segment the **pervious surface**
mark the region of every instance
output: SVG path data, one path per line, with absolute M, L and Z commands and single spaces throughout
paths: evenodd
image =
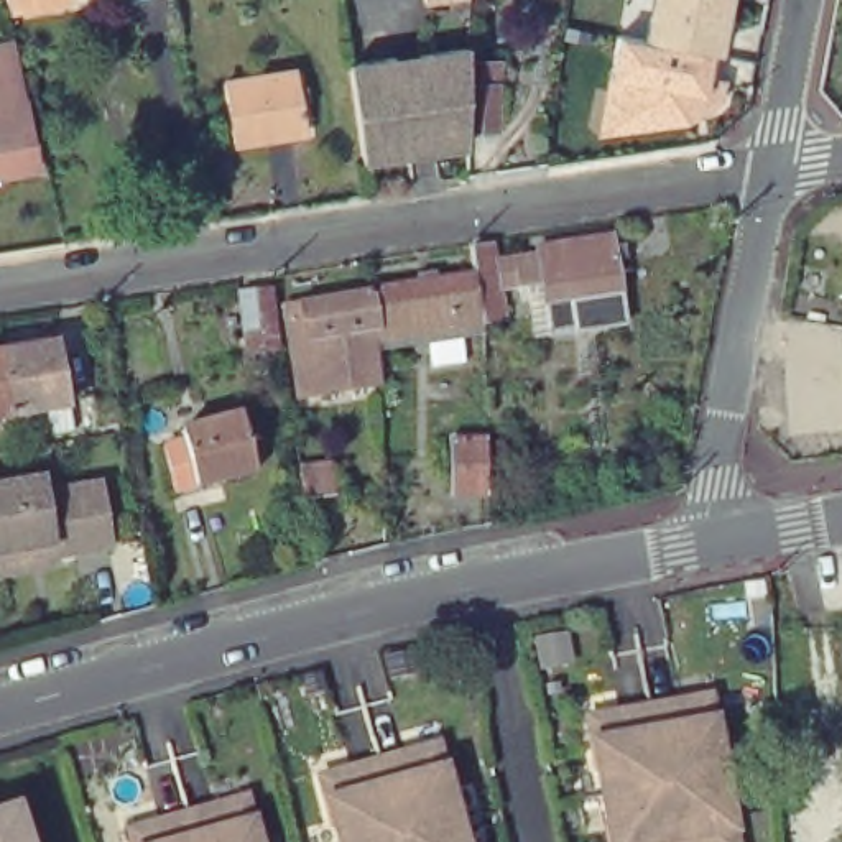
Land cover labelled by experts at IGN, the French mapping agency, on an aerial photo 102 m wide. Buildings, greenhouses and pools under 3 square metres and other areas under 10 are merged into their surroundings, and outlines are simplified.
M 763 359 L 780 359 L 786 365 L 786 437 L 796 441 L 799 434 L 842 431 L 842 326 L 826 322 L 809 326 L 806 319 L 796 322 L 783 316 L 763 329 L 753 326 L 753 345 L 763 352 Z
M 280 211 L 217 220 L 207 220 L 204 227 L 230 230 L 253 224 L 289 224 L 388 204 L 385 194 L 352 197 L 303 207 Z
M 23 266 L 36 260 L 59 260 L 76 250 L 112 247 L 109 237 L 69 240 L 0 253 L 0 266 Z
M 832 559 L 819 559 L 816 566 L 822 605 L 835 612 L 842 612 L 842 579 L 829 582 Z
M 819 697 L 835 694 L 832 635 L 812 632 L 809 674 Z
M 602 171 L 651 168 L 668 161 L 701 164 L 704 158 L 714 158 L 714 141 L 579 161 L 553 164 L 549 178 L 566 181 Z
M 842 776 L 826 776 L 812 789 L 806 809 L 793 816 L 793 842 L 842 842 Z

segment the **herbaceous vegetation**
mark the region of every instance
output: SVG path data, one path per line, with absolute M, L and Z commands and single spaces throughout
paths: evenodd
M 115 776 L 128 753 L 141 756 L 138 732 L 67 750 L 69 760 L 79 780 Z
M 520 138 L 516 145 L 510 145 L 500 155 L 497 171 L 539 168 L 530 151 L 530 141 Z
M 243 408 L 263 460 L 257 474 L 224 480 L 224 500 L 204 507 L 204 539 L 211 539 L 214 546 L 220 576 L 240 569 L 240 546 L 260 530 L 260 516 L 266 513 L 273 487 L 283 483 L 286 470 L 280 467 L 280 460 L 270 457 L 280 428 L 276 405 L 240 391 L 204 405 L 204 408 L 207 418 L 230 408 Z
M 799 434 L 796 441 L 786 437 L 786 365 L 780 359 L 763 359 L 763 352 L 753 345 L 747 382 L 753 408 L 743 421 L 743 441 L 760 437 L 770 447 L 773 460 L 780 460 L 786 470 L 835 467 L 842 460 L 842 431 Z
M 217 79 L 227 82 L 270 72 L 299 72 L 316 138 L 335 128 L 345 128 L 355 138 L 349 69 L 355 66 L 349 0 L 191 0 L 194 49 L 204 86 L 214 86 Z
M 86 197 L 92 191 L 99 164 L 112 168 L 135 148 L 138 138 L 161 135 L 187 141 L 197 151 L 197 184 L 191 187 L 191 194 L 214 197 L 217 220 L 280 211 L 273 194 L 270 148 L 237 151 L 234 138 L 220 145 L 211 132 L 207 112 L 191 118 L 184 112 L 178 105 L 155 95 L 155 69 L 148 56 L 128 56 L 115 62 L 109 86 L 89 95 L 99 118 L 89 122 L 79 138 L 53 151 L 82 151 L 89 158 L 82 171 L 59 171 L 69 217 L 56 220 L 36 207 L 36 201 L 49 187 L 46 174 L 10 181 L 7 187 L 0 187 L 0 253 L 69 240 L 66 230 L 72 224 L 89 224 Z
M 372 171 L 355 151 L 349 155 L 349 161 L 342 161 L 316 138 L 286 145 L 299 161 L 303 207 L 352 197 L 349 184 L 368 178 Z
M 500 253 L 533 250 L 526 234 L 503 234 L 483 227 L 480 243 L 493 243 Z
M 0 803 L 26 799 L 39 842 L 79 842 L 56 770 L 0 780 Z
M 441 53 L 472 53 L 472 33 L 467 30 L 447 30 L 441 33 Z
M 207 750 L 207 766 L 201 770 L 207 783 L 240 780 L 250 783 L 250 793 L 257 812 L 263 816 L 270 842 L 286 842 L 273 796 L 266 793 L 271 776 L 252 702 L 194 717 L 201 743 Z
M 400 403 L 386 416 L 391 418 L 395 451 L 414 454 L 414 378 L 400 382 Z
M 30 605 L 33 599 L 46 599 L 49 608 L 69 605 L 69 589 L 82 576 L 72 566 L 59 566 L 49 572 L 33 569 L 16 579 L 16 602 Z
M 335 428 L 352 441 L 349 447 L 359 467 L 372 474 L 385 467 L 385 460 L 382 411 L 368 398 L 349 408 L 319 408 L 319 424 L 335 421 Z
M 569 628 L 576 632 L 576 658 L 562 671 L 539 671 L 543 717 L 549 727 L 553 750 L 562 747 L 562 720 L 556 697 L 566 694 L 576 704 L 585 704 L 589 697 L 599 691 L 615 691 L 612 628 L 605 612 L 599 608 L 569 612 Z
M 753 806 L 740 809 L 743 842 L 768 842 L 766 812 Z
M 689 229 L 687 214 L 661 217 L 668 224 L 664 253 L 638 253 L 622 260 L 632 306 L 628 329 L 635 332 L 635 342 L 618 339 L 615 345 L 608 345 L 608 355 L 632 362 L 628 372 L 622 372 L 618 395 L 589 398 L 579 388 L 582 378 L 576 375 L 576 342 L 553 339 L 549 362 L 539 362 L 536 368 L 510 368 L 510 355 L 520 345 L 539 349 L 543 339 L 543 335 L 533 335 L 530 316 L 503 316 L 464 339 L 464 365 L 437 368 L 431 375 L 431 385 L 460 385 L 464 398 L 431 401 L 428 437 L 434 431 L 454 434 L 483 434 L 513 408 L 523 408 L 556 441 L 576 434 L 582 437 L 582 451 L 618 451 L 632 411 L 645 411 L 645 401 L 651 395 L 674 401 L 678 408 L 691 405 L 687 388 L 701 385 L 714 299 L 720 286 L 710 273 L 697 270 L 710 257 L 710 227 Z
M 826 95 L 842 112 L 842 7 L 826 76 Z
M 125 316 L 128 359 L 135 378 L 151 378 L 161 372 L 168 365 L 168 342 L 155 306 L 148 303 L 145 309 Z
M 750 632 L 740 618 L 710 618 L 714 605 L 737 602 L 743 592 L 743 585 L 720 585 L 674 602 L 674 641 L 668 661 L 674 674 L 687 681 L 714 678 L 727 681 L 733 691 L 743 694 L 747 727 L 760 717 L 770 717 L 776 730 L 783 730 L 796 747 L 826 747 L 832 753 L 826 763 L 826 776 L 842 776 L 842 612 L 835 612 L 832 635 L 835 694 L 819 697 L 809 674 L 812 632 L 803 625 L 796 595 L 793 589 L 786 589 L 786 576 L 766 582 L 766 595 L 773 608 L 773 625 Z
M 326 523 L 326 556 L 362 549 L 372 539 L 385 539 L 388 523 L 362 510 L 359 503 L 342 513 L 335 500 L 316 493 L 309 497 Z
M 92 431 L 122 428 L 122 414 L 115 405 L 95 401 Z
M 174 303 L 168 309 L 178 326 L 184 365 L 197 355 L 220 355 L 227 349 L 220 322 L 217 316 L 207 316 L 201 329 L 184 329 L 181 322 L 191 319 L 191 303 Z
M 569 30 L 592 36 L 592 43 L 572 43 L 576 49 L 569 69 L 562 141 L 572 145 L 572 155 L 579 161 L 714 141 L 737 132 L 750 112 L 760 109 L 747 95 L 740 102 L 730 99 L 730 109 L 710 122 L 707 132 L 678 128 L 635 138 L 599 138 L 592 128 L 592 105 L 595 95 L 608 86 L 618 39 L 625 0 L 576 0 L 577 15 Z
M 572 227 L 549 227 L 549 240 L 618 230 L 625 217 L 612 217 Z
M 3 464 L 0 457 L 0 480 L 66 470 L 59 457 Z
M 385 283 L 418 280 L 414 266 L 424 263 L 434 263 L 434 273 L 467 273 L 467 247 L 447 243 L 428 250 L 398 250 L 388 257 L 382 250 L 372 250 L 359 263 L 306 263 L 283 270 L 280 276 L 270 276 L 273 289 L 273 296 L 283 303 L 299 303 L 345 289 L 375 289 Z
M 270 720 L 270 733 L 276 747 L 276 763 L 285 765 L 303 842 L 312 842 L 309 822 L 319 819 L 319 809 L 312 799 L 306 763 L 322 750 L 342 747 L 335 701 L 329 701 L 322 689 L 309 691 L 303 681 L 280 681 L 273 701 L 276 720 Z
M 151 441 L 158 510 L 148 513 L 148 520 L 161 543 L 161 572 L 171 579 L 174 572 L 181 572 L 184 579 L 197 579 L 187 556 L 184 520 L 174 516 L 174 510 L 178 493 L 164 460 L 164 447 Z
M 391 707 L 398 727 L 437 724 L 469 740 L 464 697 L 437 691 L 434 681 L 424 681 L 411 671 L 398 678 L 395 694 Z
M 39 20 L 53 39 L 46 46 L 46 62 L 53 62 L 59 53 L 76 49 L 76 33 L 82 30 L 62 16 Z
M 822 312 L 826 322 L 842 326 L 842 247 L 835 237 L 812 234 L 812 260 L 806 270 L 803 299 L 783 309 L 783 316 L 796 322 L 806 319 L 809 312 Z

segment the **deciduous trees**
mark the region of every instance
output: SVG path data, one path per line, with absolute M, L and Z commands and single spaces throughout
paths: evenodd
M 191 92 L 191 109 L 184 112 L 191 118 L 207 112 L 211 132 L 220 145 L 234 138 L 224 99 L 227 82 L 217 79 L 214 86 L 204 86 L 201 92 Z
M 628 329 L 602 332 L 592 342 L 599 365 L 589 378 L 582 378 L 579 388 L 589 398 L 618 395 L 622 372 L 628 372 L 632 362 L 608 355 L 608 345 L 615 345 L 618 339 L 635 342 L 635 332 Z
M 69 605 L 102 605 L 99 585 L 89 576 L 82 576 L 69 589 Z
M 536 135 L 530 141 L 530 151 L 539 168 L 553 164 L 579 161 L 572 155 L 572 145 L 562 141 L 569 69 L 576 49 L 572 43 L 566 43 L 559 46 L 559 53 L 546 53 L 549 99 L 543 105 L 543 115 L 533 122 Z
M 710 257 L 697 270 L 710 273 L 720 286 L 724 286 L 733 257 L 733 247 L 727 247 L 717 257 Z
M 539 362 L 549 362 L 553 339 L 543 339 L 539 349 L 520 345 L 510 355 L 510 368 L 536 368 Z
M 13 753 L 0 753 L 0 780 L 56 770 L 69 760 L 67 750 L 56 737 Z
M 227 309 L 240 299 L 243 289 L 240 280 L 201 283 L 174 293 L 174 303 L 191 303 L 191 319 L 181 322 L 184 329 L 201 329 L 207 316 L 217 316 L 220 322 Z
M 434 681 L 437 691 L 464 697 L 477 701 L 490 714 L 497 661 L 474 632 L 460 625 L 428 625 L 411 638 L 411 655 L 411 671 L 424 681 Z
M 585 803 L 576 793 L 576 780 L 585 770 L 585 704 L 576 704 L 566 694 L 556 697 L 562 720 L 562 747 L 553 750 L 553 766 L 543 780 L 543 793 L 556 789 L 559 799 L 572 799 L 576 806 L 582 806 Z
M 618 451 L 582 451 L 582 437 L 576 434 L 556 441 L 523 408 L 513 408 L 483 434 L 490 441 L 490 497 L 490 520 L 497 526 L 523 530 L 625 507 L 645 507 L 674 497 L 684 483 L 694 480 L 694 451 L 687 451 L 687 444 L 694 437 L 694 421 L 691 405 L 678 408 L 674 401 L 651 395 L 645 401 L 645 411 L 632 411 Z
M 428 437 L 431 464 L 437 467 L 437 474 L 451 474 L 454 434 L 434 431 Z
M 740 809 L 753 806 L 766 812 L 768 842 L 793 842 L 793 816 L 806 809 L 812 789 L 826 776 L 826 763 L 832 753 L 826 747 L 796 747 L 783 730 L 776 730 L 770 717 L 760 717 L 747 727 L 743 743 L 730 743 Z
M 368 178 L 349 184 L 352 197 L 385 194 L 388 204 L 408 201 L 408 168 L 372 171 Z
M 82 30 L 76 33 L 76 49 L 59 53 L 53 62 L 46 62 L 46 46 L 53 39 L 39 20 L 16 20 L 7 0 L 0 0 L 0 46 L 16 46 L 46 174 L 49 187 L 36 201 L 36 207 L 56 220 L 69 217 L 59 171 L 82 171 L 89 158 L 82 151 L 53 151 L 79 138 L 89 122 L 99 118 L 89 95 L 109 86 L 115 62 L 128 56 L 135 30 L 128 26 L 132 10 L 125 7 L 125 0 L 89 0 L 82 10 L 62 16 Z
M 30 605 L 16 602 L 16 579 L 0 576 L 0 628 L 23 622 Z
M 335 128 L 316 138 L 342 161 L 349 161 L 349 155 L 355 151 L 355 138 L 345 128 Z
M 520 69 L 516 53 L 533 49 L 546 36 L 549 23 L 530 20 L 516 7 L 497 16 L 500 49 L 493 62 L 508 66 Z
M 164 411 L 181 398 L 181 391 L 194 395 L 204 405 L 240 391 L 276 405 L 280 428 L 270 457 L 280 460 L 280 467 L 286 470 L 283 483 L 273 487 L 266 513 L 260 516 L 260 530 L 240 546 L 240 569 L 220 576 L 220 585 L 227 592 L 240 592 L 263 579 L 309 572 L 326 556 L 326 523 L 309 497 L 316 493 L 303 487 L 299 467 L 332 460 L 335 474 L 342 477 L 335 500 L 342 513 L 359 503 L 362 510 L 388 523 L 385 539 L 395 543 L 418 536 L 418 520 L 408 513 L 408 497 L 418 480 L 418 470 L 411 470 L 414 454 L 395 451 L 391 418 L 386 416 L 400 403 L 400 382 L 414 378 L 418 359 L 424 355 L 411 345 L 385 349 L 382 385 L 368 398 L 382 411 L 385 460 L 385 467 L 372 474 L 359 467 L 349 447 L 352 441 L 335 428 L 335 421 L 319 424 L 319 408 L 306 401 L 296 395 L 293 362 L 286 355 L 257 355 L 243 349 L 227 349 L 220 355 L 197 355 L 184 365 L 184 372 L 161 372 L 151 378 L 135 378 L 128 359 L 125 316 L 145 309 L 148 303 L 122 299 L 109 306 L 82 306 L 82 339 L 95 362 L 95 378 L 86 398 L 95 401 L 115 405 L 122 414 L 122 428 L 92 431 L 69 434 L 56 434 L 46 414 L 33 414 L 10 421 L 0 434 L 0 457 L 3 464 L 59 457 L 66 470 L 82 470 L 89 480 L 105 480 L 112 503 L 112 530 L 118 543 L 138 543 L 145 549 L 148 579 L 151 595 L 164 608 L 194 605 L 201 592 L 207 592 L 207 579 L 197 579 L 184 579 L 181 572 L 174 572 L 171 579 L 161 572 L 161 543 L 148 520 L 148 513 L 158 510 L 151 441 L 151 434 L 148 414 Z
M 72 224 L 66 230 L 69 240 L 109 237 L 112 247 L 135 247 L 141 253 L 187 250 L 197 243 L 197 230 L 204 227 L 207 220 L 217 220 L 214 197 L 191 194 L 191 187 L 197 184 L 197 151 L 187 141 L 161 135 L 138 138 L 135 148 L 112 168 L 99 164 L 92 191 L 86 197 L 89 224 Z

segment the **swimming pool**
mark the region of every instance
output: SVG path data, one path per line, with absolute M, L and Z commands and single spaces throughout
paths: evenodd
M 148 579 L 128 589 L 128 605 L 141 605 L 151 595 Z
M 135 799 L 135 783 L 118 783 L 115 796 L 122 803 Z
M 164 428 L 164 411 L 148 414 L 151 434 Z
M 747 615 L 747 608 L 737 602 L 714 605 L 710 618 L 740 618 Z

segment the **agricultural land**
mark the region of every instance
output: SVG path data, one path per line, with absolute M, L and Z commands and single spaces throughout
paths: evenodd
M 727 681 L 714 678 L 730 743 L 743 743 L 747 727 L 743 694 L 733 691 Z

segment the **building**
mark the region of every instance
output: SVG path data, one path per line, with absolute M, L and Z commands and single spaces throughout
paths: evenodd
M 766 582 L 743 585 L 743 592 L 750 599 L 766 595 Z
M 809 312 L 806 319 L 809 326 L 826 322 L 822 312 Z
M 635 138 L 678 128 L 707 132 L 710 122 L 730 109 L 730 99 L 727 86 L 714 76 L 720 59 L 727 56 L 727 33 L 737 16 L 737 0 L 655 0 L 655 7 L 648 10 L 648 39 L 618 39 L 608 86 L 595 95 L 592 105 L 592 128 L 599 138 Z
M 339 395 L 345 388 L 365 388 L 368 398 L 382 385 L 385 349 L 411 345 L 424 355 L 431 355 L 437 368 L 464 365 L 464 339 L 503 316 L 530 316 L 533 335 L 543 335 L 553 322 L 602 326 L 602 332 L 628 329 L 632 306 L 622 260 L 638 253 L 638 247 L 625 240 L 618 230 L 549 240 L 546 247 L 533 250 L 500 253 L 493 243 L 480 243 L 467 247 L 467 273 L 434 273 L 434 263 L 424 263 L 414 266 L 418 280 L 385 283 L 375 289 L 345 289 L 299 303 L 283 303 L 273 296 L 273 289 L 243 289 L 240 299 L 243 329 L 253 329 L 253 339 L 243 349 L 257 355 L 286 355 L 293 362 L 296 395 L 306 401 L 316 391 Z
M 342 477 L 335 474 L 332 460 L 299 467 L 303 487 L 316 493 L 335 500 Z
M 164 460 L 178 493 L 174 510 L 204 507 L 224 500 L 224 480 L 257 474 L 263 460 L 243 408 L 230 408 L 207 418 L 204 408 L 197 418 L 187 421 L 187 437 L 171 437 L 164 428 L 151 434 L 151 441 L 164 447 Z
M 10 181 L 46 174 L 16 46 L 0 46 L 0 187 L 7 187 Z
M 474 497 L 490 497 L 490 441 L 483 434 L 454 434 L 451 474 L 451 493 L 464 507 Z
M 224 99 L 234 138 L 237 151 L 270 148 L 286 145 L 316 138 L 299 72 L 270 72 L 227 82 Z
M 303 681 L 309 691 L 322 689 L 327 684 L 322 668 L 303 671 Z
M 411 671 L 411 655 L 382 655 L 395 694 L 398 678 Z
M 0 345 L 0 434 L 10 421 L 33 414 L 46 414 L 56 434 L 69 434 L 72 372 L 66 342 L 59 335 L 49 335 Z
M 326 789 L 339 842 L 477 842 L 454 760 L 447 756 L 441 737 L 434 743 L 391 750 L 385 756 L 349 760 L 345 766 L 335 766 L 329 760 Z
M 569 30 L 566 43 L 572 43 L 592 43 L 592 36 Z
M 408 168 L 424 161 L 431 151 L 444 148 L 447 158 L 464 158 L 464 178 L 474 178 L 480 135 L 493 135 L 503 125 L 500 92 L 508 92 L 508 66 L 493 62 L 474 64 L 472 53 L 441 53 L 423 56 L 355 66 L 349 69 L 355 138 L 355 151 L 372 171 Z
M 451 3 L 470 3 L 470 0 L 424 0 L 431 7 L 434 7 L 451 7 Z
M 714 678 L 687 681 L 674 684 L 674 697 L 661 701 L 599 704 L 589 697 L 585 704 L 585 770 L 592 776 L 585 796 L 605 803 L 605 829 L 599 832 L 605 842 L 743 842 L 740 809 L 730 743 Z
M 39 842 L 26 799 L 0 803 L 0 842 Z
M 576 658 L 576 632 L 569 628 L 536 638 L 539 671 L 562 671 Z
M 158 816 L 155 822 L 141 826 L 125 822 L 128 842 L 270 842 L 263 816 L 257 812 L 250 793 L 197 803 L 191 809 Z
M 118 543 L 112 530 L 112 503 L 105 480 L 89 480 L 82 470 L 66 470 L 0 480 L 0 556 L 49 549 L 62 539 L 66 556 L 109 549 L 115 556 Z
M 82 10 L 89 0 L 7 0 L 16 20 L 39 20 L 62 16 Z

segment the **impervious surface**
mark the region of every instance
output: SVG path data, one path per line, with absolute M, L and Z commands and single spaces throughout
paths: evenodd
M 408 201 L 388 204 L 289 224 L 253 224 L 230 230 L 204 227 L 197 230 L 197 243 L 187 250 L 141 253 L 135 247 L 112 247 L 76 250 L 59 260 L 36 260 L 23 266 L 0 266 L 0 309 L 30 309 L 56 303 L 62 312 L 59 322 L 0 332 L 0 345 L 49 335 L 59 335 L 66 342 L 72 372 L 69 434 L 92 431 L 95 401 L 86 398 L 95 378 L 95 362 L 82 339 L 82 306 L 109 306 L 122 299 L 148 303 L 155 306 L 168 342 L 168 365 L 161 372 L 184 372 L 184 365 L 178 326 L 168 309 L 174 303 L 174 293 L 201 283 L 240 280 L 243 289 L 273 289 L 270 276 L 280 276 L 283 270 L 306 263 L 359 263 L 372 250 L 382 250 L 388 257 L 398 250 L 428 250 L 447 243 L 467 247 L 480 243 L 483 227 L 503 234 L 526 234 L 533 250 L 546 247 L 549 240 L 549 227 L 572 227 L 612 217 L 625 217 L 618 230 L 625 240 L 638 247 L 638 253 L 664 253 L 668 224 L 661 217 L 687 214 L 707 211 L 714 204 L 730 204 L 733 230 L 727 247 L 733 247 L 733 257 L 724 286 L 717 345 L 704 395 L 704 421 L 694 421 L 694 437 L 687 444 L 687 451 L 694 451 L 694 480 L 684 483 L 674 497 L 645 507 L 625 507 L 523 530 L 497 526 L 490 520 L 490 497 L 474 497 L 464 507 L 451 493 L 451 474 L 437 474 L 437 467 L 431 464 L 428 437 L 431 401 L 464 398 L 460 385 L 431 385 L 431 375 L 437 368 L 431 355 L 424 355 L 418 359 L 414 378 L 414 454 L 411 470 L 418 470 L 418 480 L 408 497 L 408 513 L 418 520 L 418 536 L 395 543 L 385 539 L 372 539 L 362 549 L 326 556 L 309 572 L 263 579 L 240 592 L 227 592 L 220 585 L 220 576 L 214 546 L 211 539 L 204 539 L 204 507 L 174 510 L 174 516 L 184 520 L 187 556 L 197 579 L 207 579 L 207 592 L 201 592 L 194 605 L 164 608 L 151 595 L 141 605 L 128 605 L 128 589 L 148 579 L 145 549 L 138 543 L 118 543 L 115 556 L 109 549 L 66 556 L 62 539 L 49 549 L 0 556 L 0 576 L 16 579 L 33 569 L 49 572 L 59 566 L 72 566 L 82 576 L 89 576 L 99 585 L 102 605 L 112 605 L 112 615 L 99 618 L 99 625 L 89 632 L 0 653 L 0 753 L 13 753 L 56 737 L 66 730 L 92 727 L 105 714 L 118 714 L 118 720 L 135 720 L 138 732 L 141 756 L 128 753 L 115 776 L 79 780 L 82 799 L 89 806 L 95 803 L 95 819 L 102 826 L 105 842 L 128 842 L 125 822 L 141 826 L 155 822 L 158 816 L 191 809 L 197 803 L 250 793 L 250 783 L 240 780 L 207 783 L 201 770 L 184 724 L 184 704 L 211 701 L 230 691 L 253 691 L 260 684 L 280 681 L 303 681 L 303 671 L 322 668 L 327 684 L 322 689 L 329 701 L 335 701 L 342 747 L 322 750 L 306 763 L 312 799 L 319 809 L 319 819 L 309 822 L 312 842 L 339 842 L 326 789 L 329 760 L 335 766 L 345 766 L 349 760 L 385 756 L 391 750 L 434 743 L 441 737 L 447 756 L 454 760 L 477 842 L 497 842 L 490 799 L 483 786 L 487 776 L 500 780 L 510 842 L 553 842 L 543 793 L 543 780 L 553 766 L 539 766 L 536 756 L 533 717 L 523 701 L 516 668 L 516 625 L 569 612 L 599 608 L 605 612 L 612 628 L 615 691 L 599 691 L 589 697 L 599 704 L 661 701 L 674 697 L 674 684 L 687 681 L 674 674 L 668 661 L 674 641 L 674 602 L 720 585 L 743 585 L 766 582 L 786 576 L 786 589 L 793 589 L 796 595 L 803 625 L 812 632 L 832 635 L 835 612 L 822 605 L 816 566 L 819 559 L 832 559 L 829 582 L 842 579 L 842 460 L 835 467 L 786 470 L 780 460 L 773 460 L 770 447 L 760 437 L 743 441 L 743 421 L 753 408 L 747 382 L 753 345 L 753 326 L 763 329 L 783 316 L 783 309 L 786 253 L 793 230 L 803 224 L 809 211 L 842 194 L 842 112 L 826 95 L 826 76 L 842 7 L 842 0 L 737 0 L 737 16 L 727 33 L 727 56 L 720 59 L 714 76 L 727 86 L 730 99 L 740 102 L 747 95 L 760 109 L 750 112 L 737 132 L 714 141 L 714 158 L 704 158 L 701 164 L 668 161 L 651 168 L 602 171 L 566 181 L 549 178 L 553 164 L 539 168 L 497 171 L 500 155 L 510 145 L 516 145 L 520 138 L 530 141 L 536 135 L 533 122 L 543 115 L 543 105 L 549 99 L 546 53 L 559 53 L 559 46 L 566 43 L 569 30 L 577 15 L 576 0 L 497 0 L 497 16 L 516 7 L 530 20 L 549 23 L 546 36 L 533 49 L 516 53 L 520 69 L 520 105 L 513 122 L 503 125 L 493 135 L 480 135 L 474 178 L 464 178 L 464 158 L 447 158 L 444 148 L 431 151 L 424 161 L 408 168 Z M 477 750 L 469 740 L 437 724 L 398 727 L 391 707 L 395 694 L 382 655 L 411 655 L 411 638 L 428 625 L 460 625 L 474 632 L 497 661 L 490 714 L 497 763 L 480 770 Z M 122 803 L 115 796 L 118 783 L 135 783 L 135 799 Z
M 187 437 L 187 421 L 197 418 L 204 408 L 204 405 L 194 395 L 181 391 L 181 398 L 164 411 L 164 428 L 171 437 Z
M 220 322 L 227 349 L 243 349 L 253 339 L 253 329 L 243 329 L 240 299 L 227 309 Z
M 286 145 L 270 148 L 273 194 L 280 211 L 303 207 L 299 161 Z
M 602 326 L 553 322 L 543 335 L 543 339 L 553 339 L 576 342 L 576 375 L 582 378 L 589 378 L 599 365 L 592 342 L 602 332 Z
M 585 803 L 582 806 L 576 819 L 562 819 L 566 842 L 605 842 L 599 832 L 605 829 L 605 803 L 585 796 L 592 776 L 585 770 L 576 780 L 576 793 Z
M 349 408 L 368 398 L 365 388 L 345 388 L 339 395 L 316 391 L 306 401 L 319 408 Z
M 355 66 L 423 56 L 418 26 L 431 7 L 424 0 L 349 0 Z
M 128 26 L 135 30 L 128 56 L 148 56 L 155 69 L 155 95 L 178 105 L 178 82 L 168 49 L 171 0 L 125 0 L 125 7 L 132 10 Z
M 750 599 L 743 592 L 737 602 L 747 608 L 747 615 L 740 618 L 750 632 L 773 625 L 773 608 L 766 595 Z
M 470 26 L 470 3 L 451 3 L 451 7 L 434 7 L 434 10 L 437 10 L 437 13 L 444 16 L 444 26 L 447 26 L 447 30 L 467 30 L 467 26 Z
M 655 0 L 625 0 L 618 39 L 648 39 L 648 10 L 655 7 Z

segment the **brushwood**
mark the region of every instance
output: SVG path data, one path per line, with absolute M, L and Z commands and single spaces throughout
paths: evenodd
M 717 345 L 724 286 L 720 286 L 714 299 L 701 385 L 687 388 L 691 405 L 694 421 L 704 421 L 704 395 Z
M 118 720 L 118 714 L 105 714 L 92 727 L 66 730 L 56 737 L 67 750 L 138 732 L 135 720 Z
M 783 309 L 803 299 L 806 270 L 812 260 L 812 234 L 835 237 L 842 247 L 842 194 L 809 211 L 803 224 L 793 230 L 786 253 Z
M 559 799 L 556 789 L 543 793 L 553 842 L 566 842 L 562 819 L 576 819 L 582 806 L 576 806 L 572 799 Z
M 178 82 L 178 105 L 184 112 L 191 109 L 191 92 L 201 92 L 204 86 L 194 49 L 191 0 L 171 0 L 168 49 Z
M 508 66 L 508 92 L 500 92 L 503 125 L 513 122 L 520 105 L 520 69 Z
M 437 13 L 437 10 L 434 10 L 434 7 L 431 7 L 418 26 L 423 56 L 441 53 L 441 33 L 447 30 L 447 26 L 444 26 L 444 16 Z
M 480 770 L 497 763 L 490 714 L 477 701 L 464 697 L 469 740 L 477 750 Z
M 497 0 L 470 0 L 470 3 L 470 26 L 467 26 L 467 30 L 472 33 L 472 53 L 474 64 L 493 62 L 500 49 L 497 16 Z
M 89 806 L 82 799 L 79 780 L 69 760 L 56 770 L 79 842 L 105 842 L 102 826 L 95 819 L 95 803 Z
M 266 793 L 273 796 L 286 842 L 303 842 L 285 765 L 276 763 L 276 747 L 270 733 L 270 720 L 276 720 L 273 701 L 280 681 L 260 684 L 253 691 L 230 691 L 211 701 L 184 704 L 184 724 L 201 770 L 207 766 L 207 750 L 201 743 L 194 717 L 252 702 L 271 776 Z
M 59 322 L 62 312 L 56 303 L 30 309 L 0 309 L 0 332 Z
M 717 257 L 727 247 L 733 230 L 730 204 L 714 204 L 707 211 L 687 214 L 689 229 L 710 227 L 710 257 Z
M 533 717 L 536 756 L 539 766 L 553 766 L 553 750 L 549 727 L 543 717 L 539 671 L 536 638 L 569 628 L 569 612 L 516 625 L 516 668 L 523 701 Z
M 510 842 L 500 780 L 487 776 L 483 786 L 490 799 L 497 842 Z
M 69 605 L 49 608 L 46 599 L 33 599 L 30 605 L 23 622 L 0 628 L 0 653 L 89 632 L 99 625 L 99 618 L 112 615 L 112 605 L 102 605 Z

